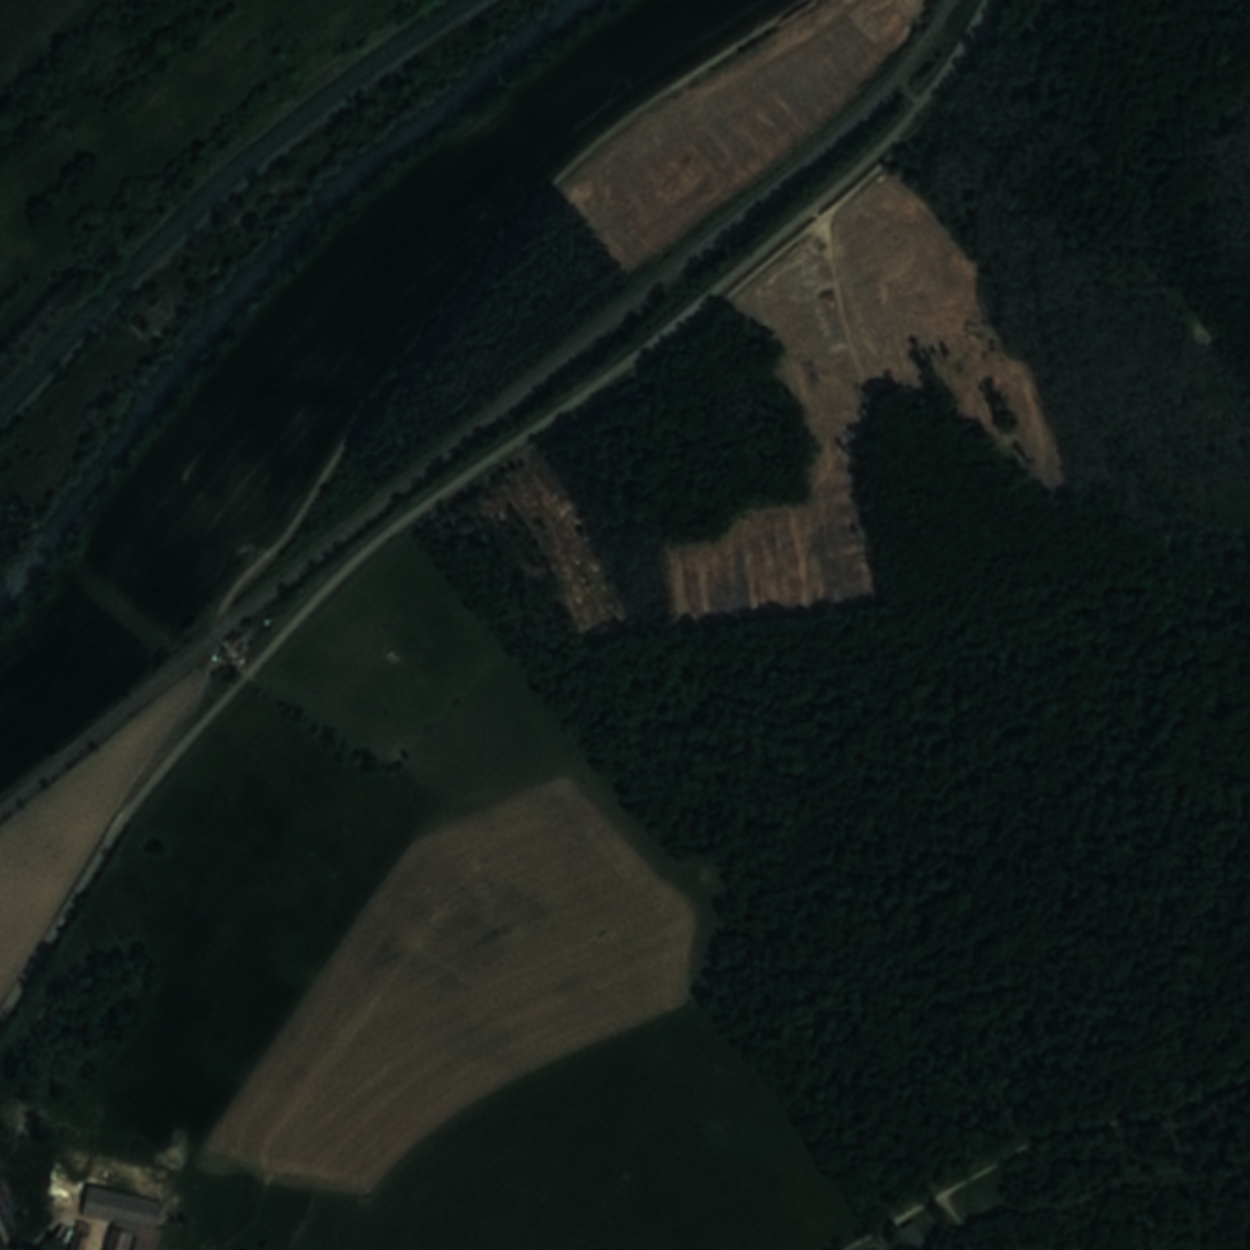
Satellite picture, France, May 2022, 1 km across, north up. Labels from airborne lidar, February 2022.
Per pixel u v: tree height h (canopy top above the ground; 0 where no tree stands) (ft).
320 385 0
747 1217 0
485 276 60
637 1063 0
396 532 0
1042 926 79
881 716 69
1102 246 84
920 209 0
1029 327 90
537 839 0
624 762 56
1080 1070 64
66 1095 48
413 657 0
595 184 0
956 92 67
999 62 70
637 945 0
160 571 0
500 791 0
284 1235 0
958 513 50
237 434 0
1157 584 61
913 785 55
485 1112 0
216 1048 0
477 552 59
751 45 19
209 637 0
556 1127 0
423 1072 0
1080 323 70
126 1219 0
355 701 0
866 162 0
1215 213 59
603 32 0
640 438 86
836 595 0
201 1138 0
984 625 48
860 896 65
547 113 0
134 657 0
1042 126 82
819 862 46
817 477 0
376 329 0
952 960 73
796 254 0
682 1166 0
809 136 0
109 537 0
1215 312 56
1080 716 53
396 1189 0
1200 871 65
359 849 0
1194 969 62
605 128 0
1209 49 82
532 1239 0
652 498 79
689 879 0
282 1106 0
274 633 0
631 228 0
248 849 0
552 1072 0
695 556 0
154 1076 0
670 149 0
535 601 65
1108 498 69
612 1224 0
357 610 0
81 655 0
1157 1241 49
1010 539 51
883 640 53
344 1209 0
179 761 0
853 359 0
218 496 0
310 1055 0
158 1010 0
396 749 0
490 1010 0
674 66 0
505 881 0
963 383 0
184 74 0
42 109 30
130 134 0
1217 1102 62
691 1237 0
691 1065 0
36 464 0
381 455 86
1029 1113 67
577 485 80
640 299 0
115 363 0
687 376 80
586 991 0
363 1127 0
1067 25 54
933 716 51
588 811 0
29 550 81
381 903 0
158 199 42
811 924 74
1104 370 74
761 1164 0
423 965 0
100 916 0
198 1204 0
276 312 0
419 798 0
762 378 88
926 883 77
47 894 0
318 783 0
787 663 57
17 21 0
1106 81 66
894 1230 44
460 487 0
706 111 0
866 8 0
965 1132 61
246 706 0
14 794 0
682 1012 0
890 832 47
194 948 0
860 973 56
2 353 60
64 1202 0
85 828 0
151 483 0
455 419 78
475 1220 0
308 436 0
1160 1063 68
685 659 32
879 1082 66
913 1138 77
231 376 0
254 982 0
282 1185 0
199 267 33
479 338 97
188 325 44
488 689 0
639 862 0
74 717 0
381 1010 0
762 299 0
